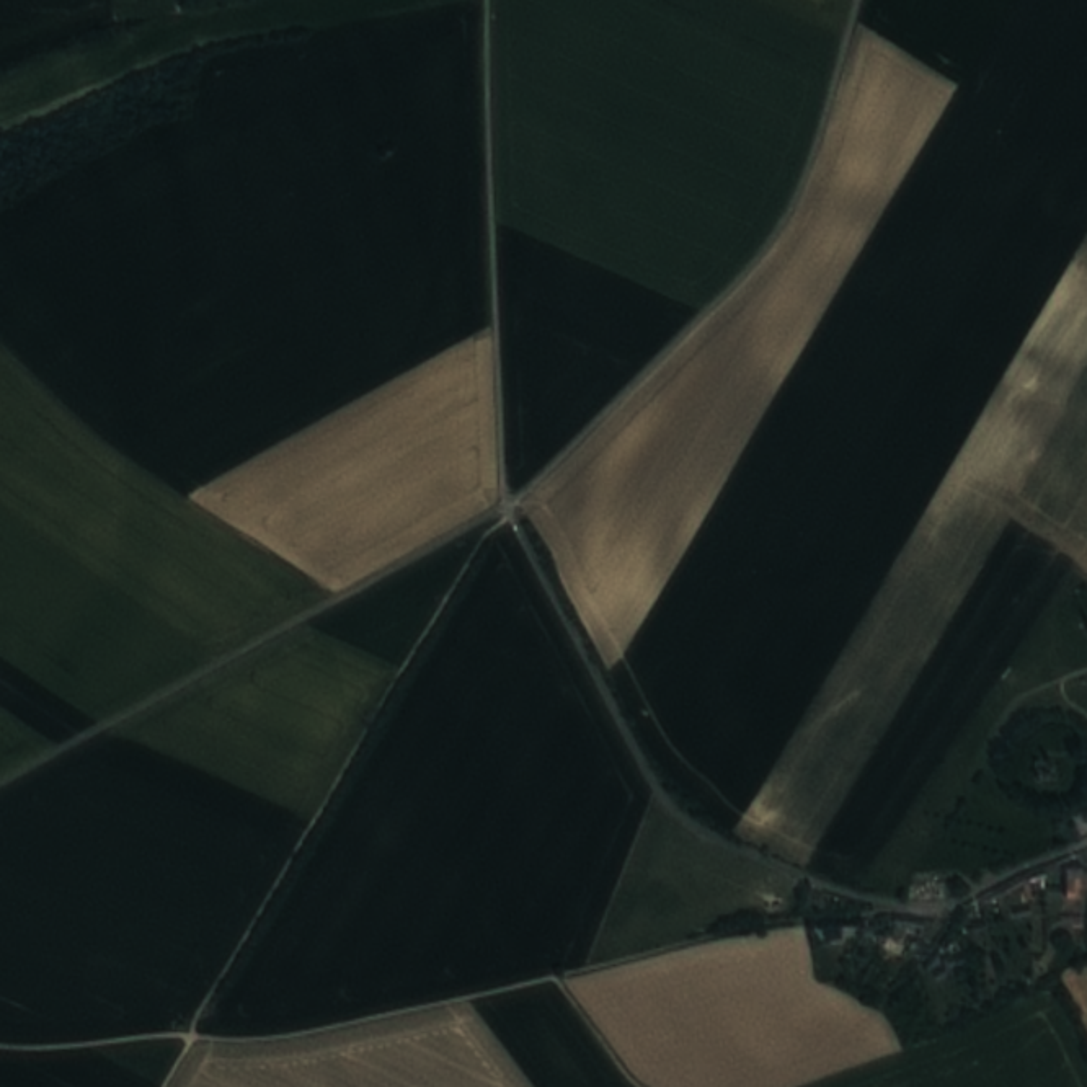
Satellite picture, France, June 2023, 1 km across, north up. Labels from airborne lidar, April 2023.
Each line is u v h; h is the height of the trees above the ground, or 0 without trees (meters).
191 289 0
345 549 0
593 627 0
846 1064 0
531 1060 0
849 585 0
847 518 0
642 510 0
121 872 0
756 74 0
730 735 0
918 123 0
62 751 0
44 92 0
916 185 0
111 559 0
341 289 0
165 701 0
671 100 0
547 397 0
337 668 0
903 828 0
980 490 0
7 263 0
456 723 0
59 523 0
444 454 0
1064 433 0
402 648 0
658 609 0
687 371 0
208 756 0
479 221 0
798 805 0
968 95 0
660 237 0
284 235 0
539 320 0
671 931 0
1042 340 0
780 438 0
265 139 0
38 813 0
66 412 0
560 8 0
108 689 0
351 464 0
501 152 0
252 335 0
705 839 0
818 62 0
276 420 0
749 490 0
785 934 0
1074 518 0
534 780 0
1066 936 11
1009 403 0
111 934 0
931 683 0
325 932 0
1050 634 0
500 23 0
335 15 0
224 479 0
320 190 0
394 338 0
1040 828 0
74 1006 0
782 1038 0
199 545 0
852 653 0
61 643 0
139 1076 0
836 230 0
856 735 0
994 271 0
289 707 0
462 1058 0
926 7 0
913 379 0
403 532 0
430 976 0
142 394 0
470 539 0
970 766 0
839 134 0
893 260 0
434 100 0
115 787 0
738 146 0
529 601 0
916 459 0
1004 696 0
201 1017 0
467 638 0
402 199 0
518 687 0
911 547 0
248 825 0
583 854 0
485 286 0
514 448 0
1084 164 0
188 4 15
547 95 0
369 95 0
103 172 0
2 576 0
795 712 0
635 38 0
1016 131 0
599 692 0
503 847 0
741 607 0
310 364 0
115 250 0
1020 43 0
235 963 7
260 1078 0
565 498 0
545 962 0
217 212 0
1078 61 0
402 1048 0
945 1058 0
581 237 0
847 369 0
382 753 0
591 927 0
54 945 0
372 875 0
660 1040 0
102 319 0
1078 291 0
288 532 0
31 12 0
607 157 0
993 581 0
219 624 0
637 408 0
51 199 0
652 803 0
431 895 0
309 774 0
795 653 0
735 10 0
